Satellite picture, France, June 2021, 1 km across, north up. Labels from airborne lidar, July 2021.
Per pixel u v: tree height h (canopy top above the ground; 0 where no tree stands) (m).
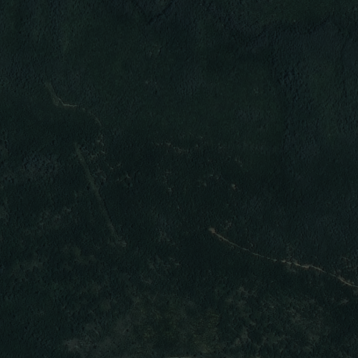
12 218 10
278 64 9
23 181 9
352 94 8
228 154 7
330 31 17
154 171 8
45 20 7
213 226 11
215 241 8
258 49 10
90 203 8
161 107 9
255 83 7
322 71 13
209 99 8
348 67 11
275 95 9
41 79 7
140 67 12
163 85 6
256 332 13
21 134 10
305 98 11
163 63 10
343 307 11
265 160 10
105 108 9
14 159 7
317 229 12
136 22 11
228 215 9
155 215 8
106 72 8
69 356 10
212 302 12
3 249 11
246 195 10
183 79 12
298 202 13
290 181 11
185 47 8
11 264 17
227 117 7
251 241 8
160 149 8
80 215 10
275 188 17
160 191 11
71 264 11
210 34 9
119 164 9
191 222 9
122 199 15
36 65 13
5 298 16
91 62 7
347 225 9
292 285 10
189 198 9
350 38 18
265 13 18
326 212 9
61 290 7
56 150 13
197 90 11
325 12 9
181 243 11
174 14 12
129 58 11
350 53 13
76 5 6
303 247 9
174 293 10
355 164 9
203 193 11
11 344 15
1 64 10
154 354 10
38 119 14
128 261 9
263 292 15
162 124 7
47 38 9
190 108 7
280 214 11
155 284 7
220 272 9
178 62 11
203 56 11
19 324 12
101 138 9
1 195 9
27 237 11
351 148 10
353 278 6
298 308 7
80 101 9
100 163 11
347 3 7
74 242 8
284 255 7
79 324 11
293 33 12
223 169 14
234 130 9
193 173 8
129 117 9
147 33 11
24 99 8
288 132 16
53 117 9
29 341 11
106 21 9
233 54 8
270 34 12
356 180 11
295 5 9
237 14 8
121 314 10
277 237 7
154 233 7
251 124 10
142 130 7
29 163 16
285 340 7
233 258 9
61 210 8
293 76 7
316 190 10
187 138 7
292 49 11
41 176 7
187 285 11
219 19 13
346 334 10
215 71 12
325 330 6
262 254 9
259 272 9
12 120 10
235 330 7
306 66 7
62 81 15
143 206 8
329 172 9
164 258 8
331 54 12
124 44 10
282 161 19
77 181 11
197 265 12
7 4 7
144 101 8
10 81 6
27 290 11
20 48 11
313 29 17
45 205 12
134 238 11
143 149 9
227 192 10
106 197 13
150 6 17
